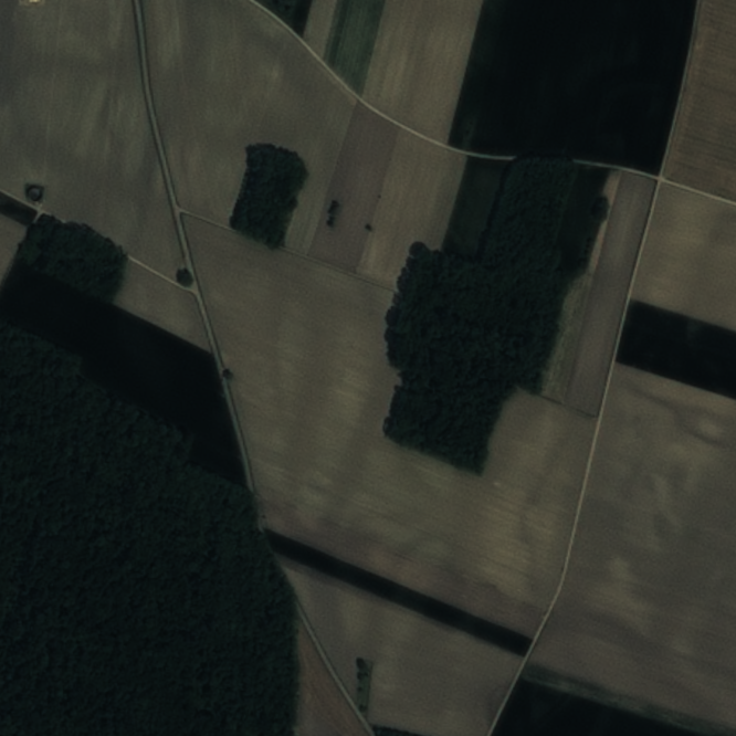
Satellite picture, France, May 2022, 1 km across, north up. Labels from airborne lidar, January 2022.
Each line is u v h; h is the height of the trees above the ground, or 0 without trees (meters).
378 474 0
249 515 20
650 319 0
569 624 0
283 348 0
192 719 16
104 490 19
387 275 0
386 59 0
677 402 0
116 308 0
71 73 0
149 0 0
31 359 22
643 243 0
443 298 25
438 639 0
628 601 0
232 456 0
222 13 0
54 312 0
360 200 0
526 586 0
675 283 0
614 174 0
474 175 0
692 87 0
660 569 0
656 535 0
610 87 0
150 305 0
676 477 0
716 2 0
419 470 0
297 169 18
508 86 0
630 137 0
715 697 0
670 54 0
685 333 0
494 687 0
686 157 0
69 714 22
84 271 24
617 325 0
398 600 0
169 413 0
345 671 0
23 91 0
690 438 0
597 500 0
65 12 0
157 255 0
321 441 0
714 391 0
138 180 0
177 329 0
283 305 0
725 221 0
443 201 0
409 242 0
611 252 0
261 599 21
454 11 0
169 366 0
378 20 0
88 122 0
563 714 0
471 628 0
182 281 14
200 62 0
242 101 0
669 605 0
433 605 0
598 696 0
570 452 0
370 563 0
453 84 0
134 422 20
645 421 0
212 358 0
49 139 0
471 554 0
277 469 0
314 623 0
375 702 0
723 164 0
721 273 0
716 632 0
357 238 0
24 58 0
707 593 0
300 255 0
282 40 0
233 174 0
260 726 22
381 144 0
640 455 0
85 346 0
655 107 0
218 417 0
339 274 0
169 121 0
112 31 0
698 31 0
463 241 0
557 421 0
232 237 0
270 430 0
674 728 0
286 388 0
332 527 0
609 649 0
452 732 0
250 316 0
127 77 0
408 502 0
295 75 0
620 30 0
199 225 0
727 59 0
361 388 0
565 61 0
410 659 0
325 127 0
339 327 0
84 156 0
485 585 0
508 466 0
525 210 25
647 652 0
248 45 0
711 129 0
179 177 0
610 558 0
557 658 0
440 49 0
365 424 0
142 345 0
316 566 0
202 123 0
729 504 0
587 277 0
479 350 25
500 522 0
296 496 0
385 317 0
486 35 0
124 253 16
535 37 0
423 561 0
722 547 0
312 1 0
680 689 0
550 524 0
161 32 0
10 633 20
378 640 0
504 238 16
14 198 0
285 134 0
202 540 0
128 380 0
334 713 0
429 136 0
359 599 0
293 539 0
